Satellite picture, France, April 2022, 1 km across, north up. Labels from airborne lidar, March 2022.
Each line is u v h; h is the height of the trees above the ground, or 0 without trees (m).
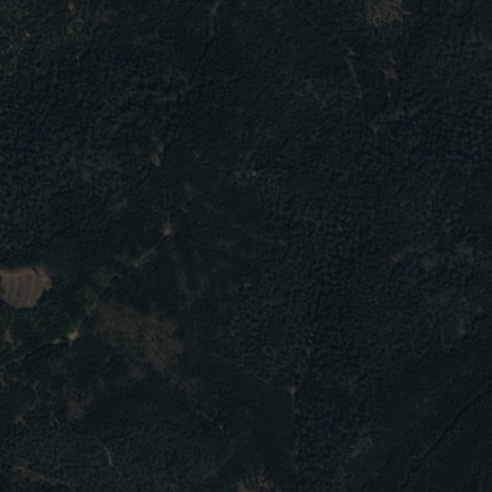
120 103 26
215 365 20
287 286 36
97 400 20
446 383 15
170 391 22
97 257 33
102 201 26
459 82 21
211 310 16
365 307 21
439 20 25
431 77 21
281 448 22
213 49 24
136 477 26
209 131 37
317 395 24
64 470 26
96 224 25
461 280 26
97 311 16
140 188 22
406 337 27
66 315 13
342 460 20
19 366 12
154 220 20
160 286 20
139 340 14
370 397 7
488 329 27
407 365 21
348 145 30
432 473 19
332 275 10
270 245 10
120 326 17
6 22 9
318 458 13
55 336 14
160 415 21
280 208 30
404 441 16
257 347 21
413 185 16
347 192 31
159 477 26
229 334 25
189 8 19
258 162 29
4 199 27
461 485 16
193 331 16
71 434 31
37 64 25
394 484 23
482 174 17
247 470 11
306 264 33
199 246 17
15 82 19
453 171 25
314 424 31
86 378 23
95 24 7
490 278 24
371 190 25
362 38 14
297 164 27
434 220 7
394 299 19
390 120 38
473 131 42
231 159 18
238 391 21
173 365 17
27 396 16
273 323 25
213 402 19
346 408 11
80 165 18
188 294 15
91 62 23
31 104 21
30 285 22
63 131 17
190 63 23
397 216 20
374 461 15
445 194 19
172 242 17
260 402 17
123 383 13
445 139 24
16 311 21
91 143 28
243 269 13
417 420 16
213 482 13
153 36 25
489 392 19
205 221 19
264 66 25
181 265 18
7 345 8
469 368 18
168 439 24
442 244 7
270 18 20
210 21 22
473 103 25
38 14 19
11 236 23
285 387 24
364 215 9
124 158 28
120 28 6
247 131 20
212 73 26
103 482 24
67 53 13
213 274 15
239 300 14
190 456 25
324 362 30
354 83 30
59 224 34
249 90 21
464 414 22
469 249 24
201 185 18
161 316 18
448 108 35
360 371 21
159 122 19
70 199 32
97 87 15
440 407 14
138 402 19
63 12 20
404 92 22
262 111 18
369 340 26
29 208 20
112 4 11
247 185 23
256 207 21
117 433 14
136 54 10
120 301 18
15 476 22
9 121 24
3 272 26
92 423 18
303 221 39
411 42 17
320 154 19
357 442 19
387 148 13
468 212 19
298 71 18
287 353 32
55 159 15
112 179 21
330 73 19
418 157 23
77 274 25
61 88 27
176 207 18
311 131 19
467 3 10
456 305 30
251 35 26
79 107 19
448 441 25
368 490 16
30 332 12
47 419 11
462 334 23
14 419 12
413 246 25
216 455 20
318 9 26
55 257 31
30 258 24
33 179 19
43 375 16
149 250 17
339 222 31
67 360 20
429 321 27
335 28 24
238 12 19
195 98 30
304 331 33
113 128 32
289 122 19
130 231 19
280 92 17
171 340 16
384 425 18
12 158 27
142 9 12
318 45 14
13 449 30
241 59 17
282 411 21
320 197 28
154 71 27
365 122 21
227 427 12
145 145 21
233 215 14
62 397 15
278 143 8
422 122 31
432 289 22
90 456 23
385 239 24
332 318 29
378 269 25
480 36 22
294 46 15
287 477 14
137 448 25
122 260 18
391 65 18
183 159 18
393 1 6
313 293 29
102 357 19
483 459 15
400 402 19
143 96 6
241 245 11
